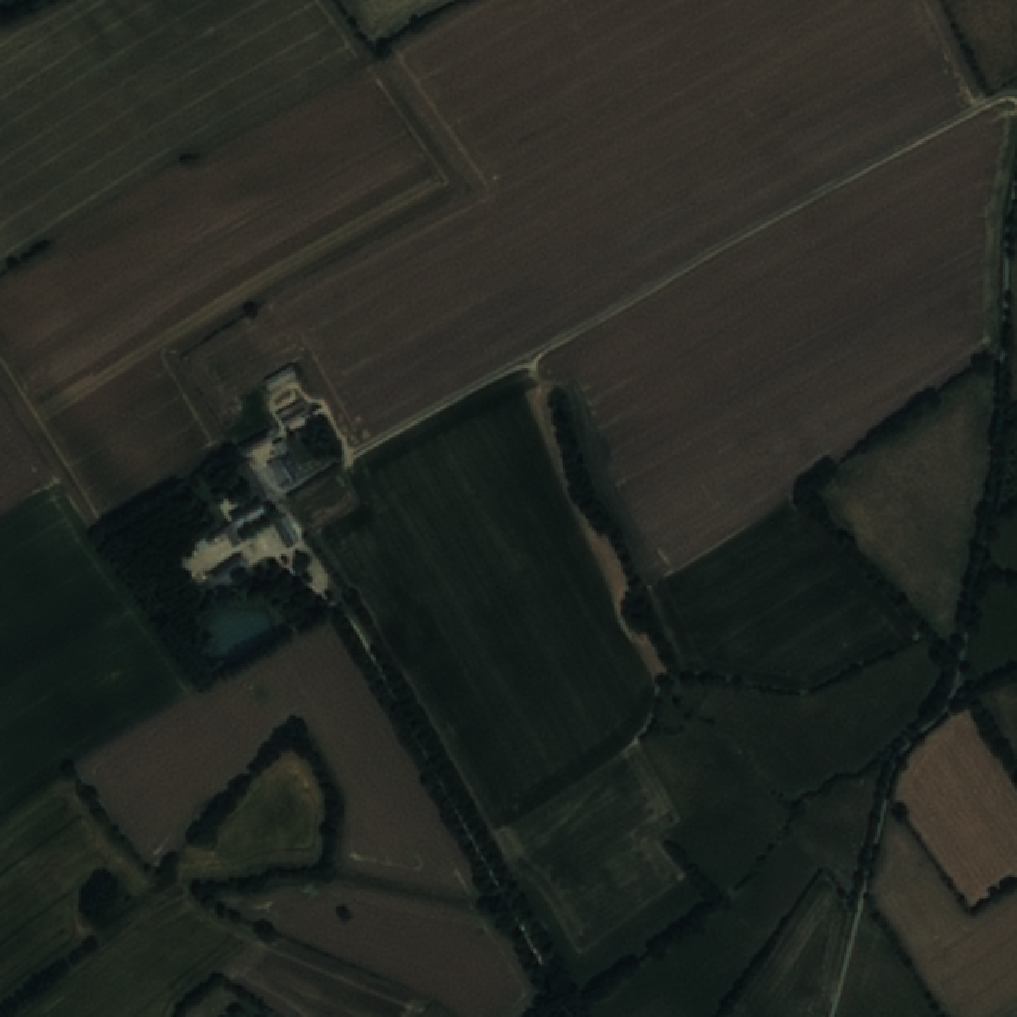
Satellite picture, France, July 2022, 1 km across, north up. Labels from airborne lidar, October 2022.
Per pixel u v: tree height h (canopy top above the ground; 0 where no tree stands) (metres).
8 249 0
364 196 0
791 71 0
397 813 0
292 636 21
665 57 0
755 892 0
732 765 0
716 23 0
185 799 0
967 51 9
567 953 0
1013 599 0
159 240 0
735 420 0
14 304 0
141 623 0
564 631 0
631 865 0
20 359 0
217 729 0
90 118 0
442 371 0
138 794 0
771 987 0
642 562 0
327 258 0
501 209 0
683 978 0
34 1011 0
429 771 15
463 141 0
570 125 0
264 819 0
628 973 16
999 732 12
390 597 0
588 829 0
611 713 0
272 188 0
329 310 0
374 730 0
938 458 0
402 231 0
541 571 0
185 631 18
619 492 0
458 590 0
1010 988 0
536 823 0
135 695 0
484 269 0
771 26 0
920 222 0
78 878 0
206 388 0
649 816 0
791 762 0
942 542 0
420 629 0
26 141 0
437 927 0
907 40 0
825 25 0
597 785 0
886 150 0
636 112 0
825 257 0
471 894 0
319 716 0
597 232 0
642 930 0
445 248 0
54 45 0
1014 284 0
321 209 0
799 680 0
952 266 0
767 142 0
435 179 0
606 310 0
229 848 0
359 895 0
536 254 0
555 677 0
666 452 0
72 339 0
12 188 0
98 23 0
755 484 0
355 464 0
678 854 11
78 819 0
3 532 0
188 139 0
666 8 0
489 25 0
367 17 0
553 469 0
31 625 0
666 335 0
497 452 0
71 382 0
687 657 0
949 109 0
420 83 0
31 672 0
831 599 0
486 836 15
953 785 0
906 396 0
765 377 0
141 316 0
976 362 12
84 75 0
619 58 0
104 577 0
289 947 0
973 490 0
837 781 7
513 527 0
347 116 0
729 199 0
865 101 0
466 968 0
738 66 0
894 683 0
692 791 0
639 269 0
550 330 0
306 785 0
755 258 0
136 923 0
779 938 6
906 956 7
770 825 0
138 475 0
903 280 0
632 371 0
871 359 0
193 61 0
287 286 0
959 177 0
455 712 0
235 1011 14
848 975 0
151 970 0
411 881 0
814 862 0
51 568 0
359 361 0
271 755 19
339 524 0
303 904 0
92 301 0
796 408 0
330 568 11
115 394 0
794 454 0
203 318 0
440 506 0
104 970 0
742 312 0
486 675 0
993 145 0
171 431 0
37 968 0
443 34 0
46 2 6
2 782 0
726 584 0
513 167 0
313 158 0
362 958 0
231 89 0
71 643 0
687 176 0
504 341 0
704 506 0
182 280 0
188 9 0
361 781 0
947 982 0
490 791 0
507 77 0
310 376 0
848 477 0
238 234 0
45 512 0
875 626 0
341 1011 0
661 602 0
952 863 0
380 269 0
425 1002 0
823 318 0
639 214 0
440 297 0
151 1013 0
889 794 7
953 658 13
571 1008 12
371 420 0
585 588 0
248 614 0
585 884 0
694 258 0
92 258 0
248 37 0
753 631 0
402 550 0
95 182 0
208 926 0
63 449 0
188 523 15
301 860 0
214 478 19
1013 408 7
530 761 0
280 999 0
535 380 0
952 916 0
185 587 14
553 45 0
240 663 26
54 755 0
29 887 0
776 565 0
